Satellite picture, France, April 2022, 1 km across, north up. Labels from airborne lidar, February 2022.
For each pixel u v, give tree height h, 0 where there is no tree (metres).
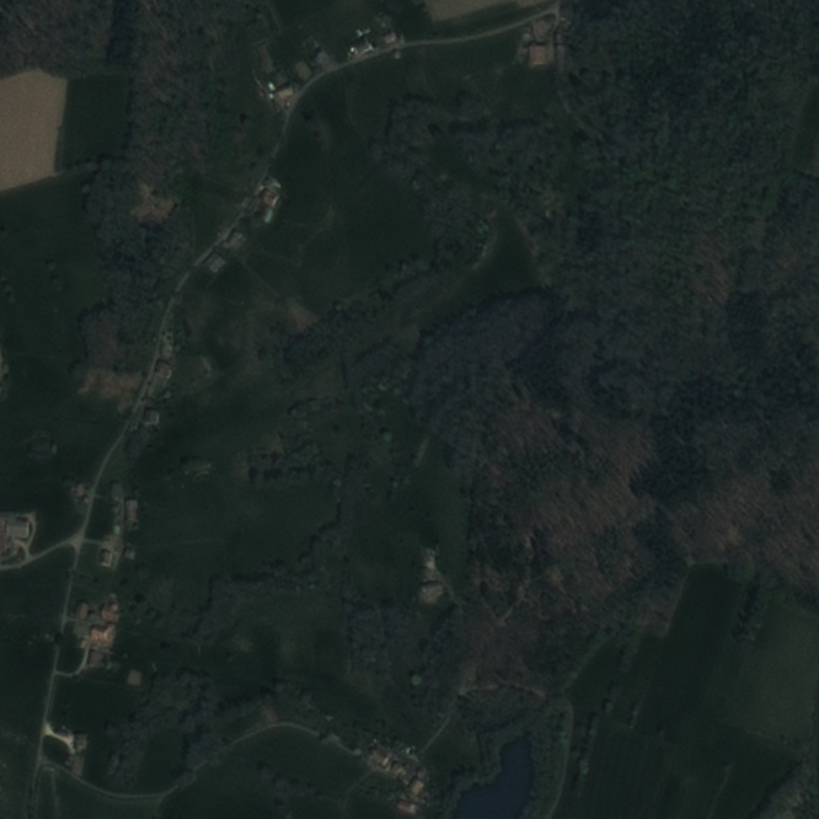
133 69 23
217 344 0
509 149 21
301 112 0
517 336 32
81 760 0
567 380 30
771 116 15
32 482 0
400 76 0
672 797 0
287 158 0
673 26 20
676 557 22
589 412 23
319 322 0
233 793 0
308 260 0
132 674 0
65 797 0
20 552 0
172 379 0
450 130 0
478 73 0
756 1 13
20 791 0
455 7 0
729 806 0
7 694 0
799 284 16
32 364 0
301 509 0
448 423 30
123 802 0
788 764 0
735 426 24
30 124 0
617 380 34
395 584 0
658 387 28
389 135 9
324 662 0
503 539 8
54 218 0
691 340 23
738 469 21
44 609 0
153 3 34
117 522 0
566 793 0
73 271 0
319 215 0
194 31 31
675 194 14
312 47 0
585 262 17
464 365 24
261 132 0
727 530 21
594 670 0
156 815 0
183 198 12
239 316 0
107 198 21
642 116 16
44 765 0
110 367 19
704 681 0
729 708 0
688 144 18
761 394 22
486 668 13
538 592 11
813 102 0
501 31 0
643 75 15
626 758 0
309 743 0
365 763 8
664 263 24
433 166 8
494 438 12
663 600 27
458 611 13
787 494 19
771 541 23
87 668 0
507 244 0
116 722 0
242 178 0
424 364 17
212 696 26
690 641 0
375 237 0
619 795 0
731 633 0
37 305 0
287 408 0
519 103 0
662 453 20
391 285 0
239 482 0
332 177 0
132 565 0
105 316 22
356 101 0
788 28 18
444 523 0
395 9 17
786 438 25
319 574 15
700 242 23
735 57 14
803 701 0
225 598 23
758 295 7
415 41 0
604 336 33
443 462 0
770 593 13
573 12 23
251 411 0
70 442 0
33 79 0
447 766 0
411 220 0
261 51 0
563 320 19
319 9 0
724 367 19
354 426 0
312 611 0
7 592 0
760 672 0
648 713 0
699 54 13
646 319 24
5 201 0
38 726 0
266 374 0
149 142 26
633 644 17
